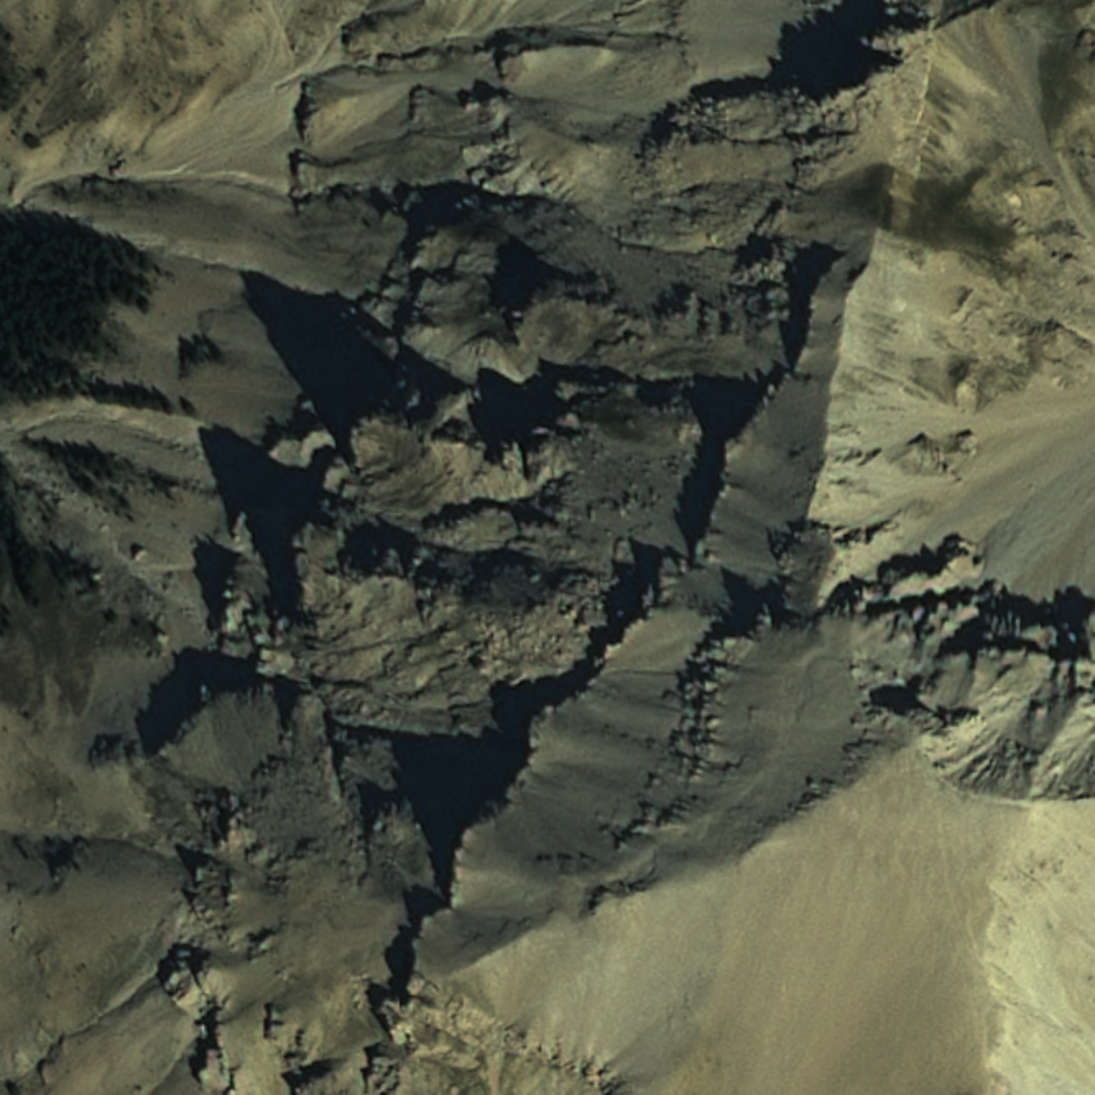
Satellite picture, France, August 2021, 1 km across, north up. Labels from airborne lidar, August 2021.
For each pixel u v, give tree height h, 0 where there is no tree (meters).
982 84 0
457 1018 0
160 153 0
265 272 0
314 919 0
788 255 0
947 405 0
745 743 0
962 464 0
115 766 0
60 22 0
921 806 0
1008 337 0
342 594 0
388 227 0
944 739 0
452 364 0
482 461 0
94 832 0
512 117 0
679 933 0
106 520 0
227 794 0
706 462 0
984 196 0
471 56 0
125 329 0
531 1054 0
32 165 0
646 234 0
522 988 0
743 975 0
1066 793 0
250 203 0
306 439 0
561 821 0
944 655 0
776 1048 0
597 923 0
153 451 0
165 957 0
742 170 0
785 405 0
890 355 0
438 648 0
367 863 0
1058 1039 0
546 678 0
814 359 0
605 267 0
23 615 0
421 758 0
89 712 0
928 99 0
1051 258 0
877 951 0
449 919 0
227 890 0
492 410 0
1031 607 0
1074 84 0
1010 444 0
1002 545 0
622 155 0
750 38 0
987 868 0
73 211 0
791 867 0
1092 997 0
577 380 0
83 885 0
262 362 0
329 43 0
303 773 0
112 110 0
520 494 0
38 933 0
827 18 0
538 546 0
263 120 0
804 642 0
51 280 10
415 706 0
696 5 0
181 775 0
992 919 0
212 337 0
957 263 0
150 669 0
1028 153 0
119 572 0
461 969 0
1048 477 0
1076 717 0
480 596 0
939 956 0
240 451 0
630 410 0
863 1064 0
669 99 0
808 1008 0
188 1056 0
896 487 0
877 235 0
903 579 0
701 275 0
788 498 0
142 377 0
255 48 0
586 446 0
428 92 0
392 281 0
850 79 0
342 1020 0
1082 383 0
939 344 0
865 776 0
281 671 0
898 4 0
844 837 0
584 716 0
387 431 0
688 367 0
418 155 0
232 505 0
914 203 0
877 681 0
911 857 0
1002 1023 0
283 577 0
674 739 0
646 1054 0
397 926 0
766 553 0
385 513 0
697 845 0
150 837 0
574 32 0
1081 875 0
